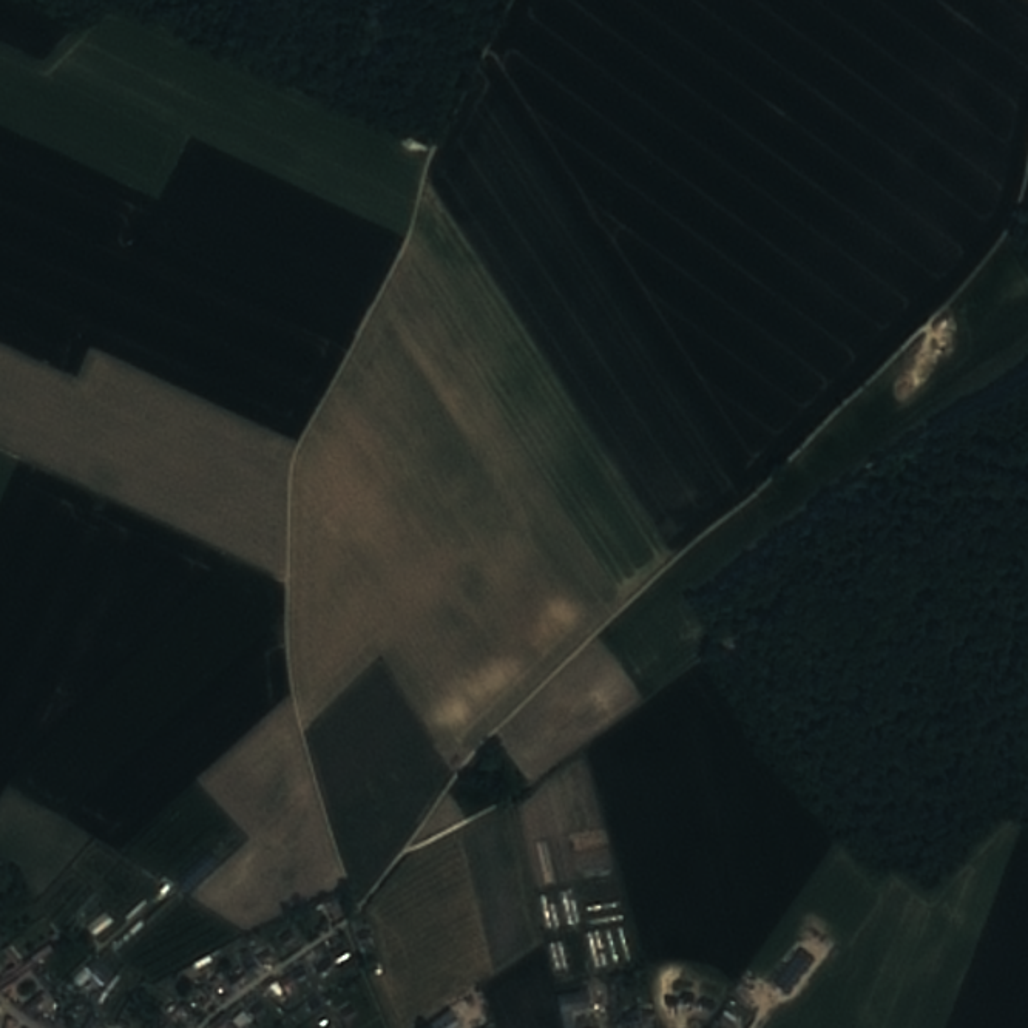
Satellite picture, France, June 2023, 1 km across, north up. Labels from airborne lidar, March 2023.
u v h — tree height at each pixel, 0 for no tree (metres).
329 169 0
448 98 15
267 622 0
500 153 0
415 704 0
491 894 0
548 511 0
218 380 0
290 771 0
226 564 0
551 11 0
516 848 0
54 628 0
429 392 0
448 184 0
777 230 0
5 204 0
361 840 0
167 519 0
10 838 0
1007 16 0
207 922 0
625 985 9
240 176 0
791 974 0
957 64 0
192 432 0
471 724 0
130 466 0
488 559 0
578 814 0
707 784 0
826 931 0
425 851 0
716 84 0
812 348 0
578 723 0
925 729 25
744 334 0
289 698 0
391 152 0
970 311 0
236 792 0
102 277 0
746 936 0
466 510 0
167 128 0
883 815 21
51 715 0
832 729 24
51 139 0
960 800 26
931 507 25
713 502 0
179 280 0
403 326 0
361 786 0
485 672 0
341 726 0
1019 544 23
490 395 0
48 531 0
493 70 0
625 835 0
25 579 0
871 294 0
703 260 0
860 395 0
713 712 0
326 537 0
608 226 0
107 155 0
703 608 16
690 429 0
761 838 0
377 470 0
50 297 0
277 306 0
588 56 0
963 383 0
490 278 0
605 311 0
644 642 0
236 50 20
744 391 0
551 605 0
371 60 20
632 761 0
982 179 0
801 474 0
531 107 0
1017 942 0
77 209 0
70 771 0
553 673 0
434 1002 0
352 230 0
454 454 0
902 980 0
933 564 24
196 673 0
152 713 0
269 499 0
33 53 0
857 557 8
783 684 22
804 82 0
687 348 0
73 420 0
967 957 0
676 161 0
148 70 0
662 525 0
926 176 0
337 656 0
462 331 0
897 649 23
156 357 0
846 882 0
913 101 0
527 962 0
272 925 0
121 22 0
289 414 0
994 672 22
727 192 0
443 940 0
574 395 0
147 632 0
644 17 0
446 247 0
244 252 0
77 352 0
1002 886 0
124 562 0
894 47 0
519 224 0
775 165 0
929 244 0
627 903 0
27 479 0
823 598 24
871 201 0
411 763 0
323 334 0
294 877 0
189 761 0
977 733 25
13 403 0
